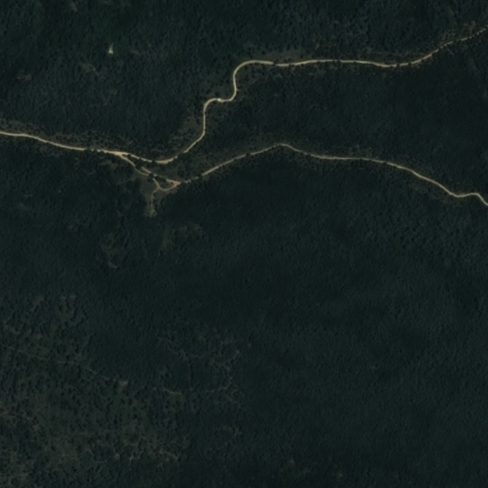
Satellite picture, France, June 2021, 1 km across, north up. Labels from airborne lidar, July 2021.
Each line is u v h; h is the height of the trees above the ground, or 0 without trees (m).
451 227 16
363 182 14
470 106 17
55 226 15
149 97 14
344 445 13
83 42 10
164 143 11
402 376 13
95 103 9
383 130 20
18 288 10
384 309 15
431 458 15
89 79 17
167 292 12
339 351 16
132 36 7
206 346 7
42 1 13
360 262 14
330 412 13
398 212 17
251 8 11
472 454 14
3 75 10
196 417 14
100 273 18
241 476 10
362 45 14
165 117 14
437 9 12
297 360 17
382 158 9
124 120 13
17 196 11
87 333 15
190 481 10
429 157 8
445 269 20
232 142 13
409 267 14
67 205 13
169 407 15
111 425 10
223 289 15
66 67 14
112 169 11
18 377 18
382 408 15
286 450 7
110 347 10
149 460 13
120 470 12
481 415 18
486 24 11
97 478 12
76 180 15
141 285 14
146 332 11
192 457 9
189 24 7
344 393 10
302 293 14
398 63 8
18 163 16
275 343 14
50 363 7
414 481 8
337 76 11
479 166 13
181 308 13
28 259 10
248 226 10
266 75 17
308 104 8
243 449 8
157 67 10
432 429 14
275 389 13
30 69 11
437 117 12
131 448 11
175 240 8
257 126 11
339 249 17
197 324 10
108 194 10
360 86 13
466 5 20
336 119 12
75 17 15
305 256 15
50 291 12
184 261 9
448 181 10
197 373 10
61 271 7
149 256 11
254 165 14
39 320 8
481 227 14
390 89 15
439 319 15
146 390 16
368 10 9
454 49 14
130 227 13
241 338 14
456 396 19
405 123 14
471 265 16
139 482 9
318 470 9
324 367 16
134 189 8
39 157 13
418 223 15
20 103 10
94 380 11
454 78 12
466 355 19
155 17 11
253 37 11
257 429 12
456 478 10
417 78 13
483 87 8
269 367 16
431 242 15
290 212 11
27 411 8
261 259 13
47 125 17
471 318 14
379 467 13
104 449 11
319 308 14
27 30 10
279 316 14
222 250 9
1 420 6
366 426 17
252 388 9
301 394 11
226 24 7
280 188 12
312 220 12
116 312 10
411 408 13
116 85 9
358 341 16
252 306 18
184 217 17
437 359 22
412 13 6
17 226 12
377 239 20
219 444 10
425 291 18
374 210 13
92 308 12
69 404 14
